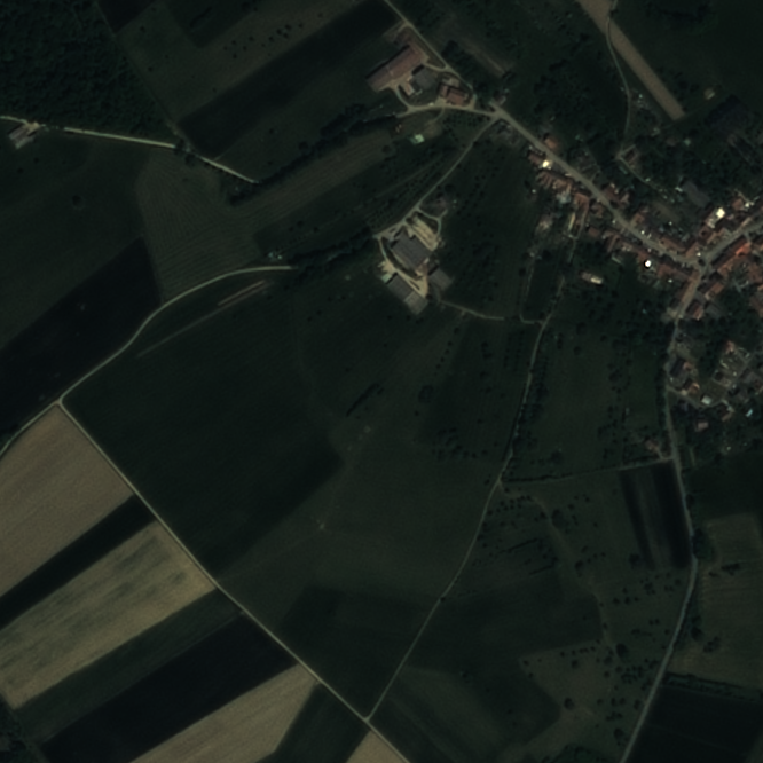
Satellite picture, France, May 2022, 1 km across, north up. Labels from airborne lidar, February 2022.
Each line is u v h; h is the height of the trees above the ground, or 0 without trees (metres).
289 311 0
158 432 0
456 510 0
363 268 0
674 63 0
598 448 0
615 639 0
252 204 0
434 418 0
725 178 6
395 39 0
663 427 7
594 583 0
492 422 0
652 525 0
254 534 0
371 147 0
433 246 0
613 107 0
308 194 0
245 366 0
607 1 0
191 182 0
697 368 0
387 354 0
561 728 0
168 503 0
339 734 0
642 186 13
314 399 0
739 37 0
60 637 0
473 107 0
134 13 0
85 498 0
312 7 0
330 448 0
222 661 0
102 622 0
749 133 9
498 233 0
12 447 0
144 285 0
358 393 0
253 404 0
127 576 0
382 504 0
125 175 0
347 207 0
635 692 0
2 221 0
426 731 0
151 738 0
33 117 12
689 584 0
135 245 0
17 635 0
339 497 0
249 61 0
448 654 0
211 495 0
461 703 0
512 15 0
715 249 0
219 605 0
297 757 0
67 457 0
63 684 0
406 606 0
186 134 0
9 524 0
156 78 0
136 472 0
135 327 0
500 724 0
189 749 0
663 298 9
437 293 0
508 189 0
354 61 0
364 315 0
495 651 0
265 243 0
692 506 15
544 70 0
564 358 0
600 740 0
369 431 0
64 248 0
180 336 0
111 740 0
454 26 0
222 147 0
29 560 0
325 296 0
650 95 0
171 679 0
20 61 23
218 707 0
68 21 20
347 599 0
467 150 0
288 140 0
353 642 0
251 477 0
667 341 13
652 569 0
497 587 0
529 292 0
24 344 0
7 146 0
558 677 0
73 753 0
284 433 0
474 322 0
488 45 0
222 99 0
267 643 0
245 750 0
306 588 0
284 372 0
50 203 0
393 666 0
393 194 0
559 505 0
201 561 0
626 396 0
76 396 0
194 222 0
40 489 0
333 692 0
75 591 0
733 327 15
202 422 0
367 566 0
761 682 0
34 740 0
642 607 0
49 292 0
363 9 0
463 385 0
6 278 0
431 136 0
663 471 0
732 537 0
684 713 0
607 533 0
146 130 15
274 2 0
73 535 0
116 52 14
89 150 0
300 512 0
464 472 0
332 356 0
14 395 0
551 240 0
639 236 0
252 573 0
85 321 0
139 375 0
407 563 0
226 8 0
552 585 0
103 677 0
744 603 0
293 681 0
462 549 0
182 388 0
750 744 0
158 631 0
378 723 0
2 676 0
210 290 0
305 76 0
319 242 0
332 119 0
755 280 0
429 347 0
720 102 0
